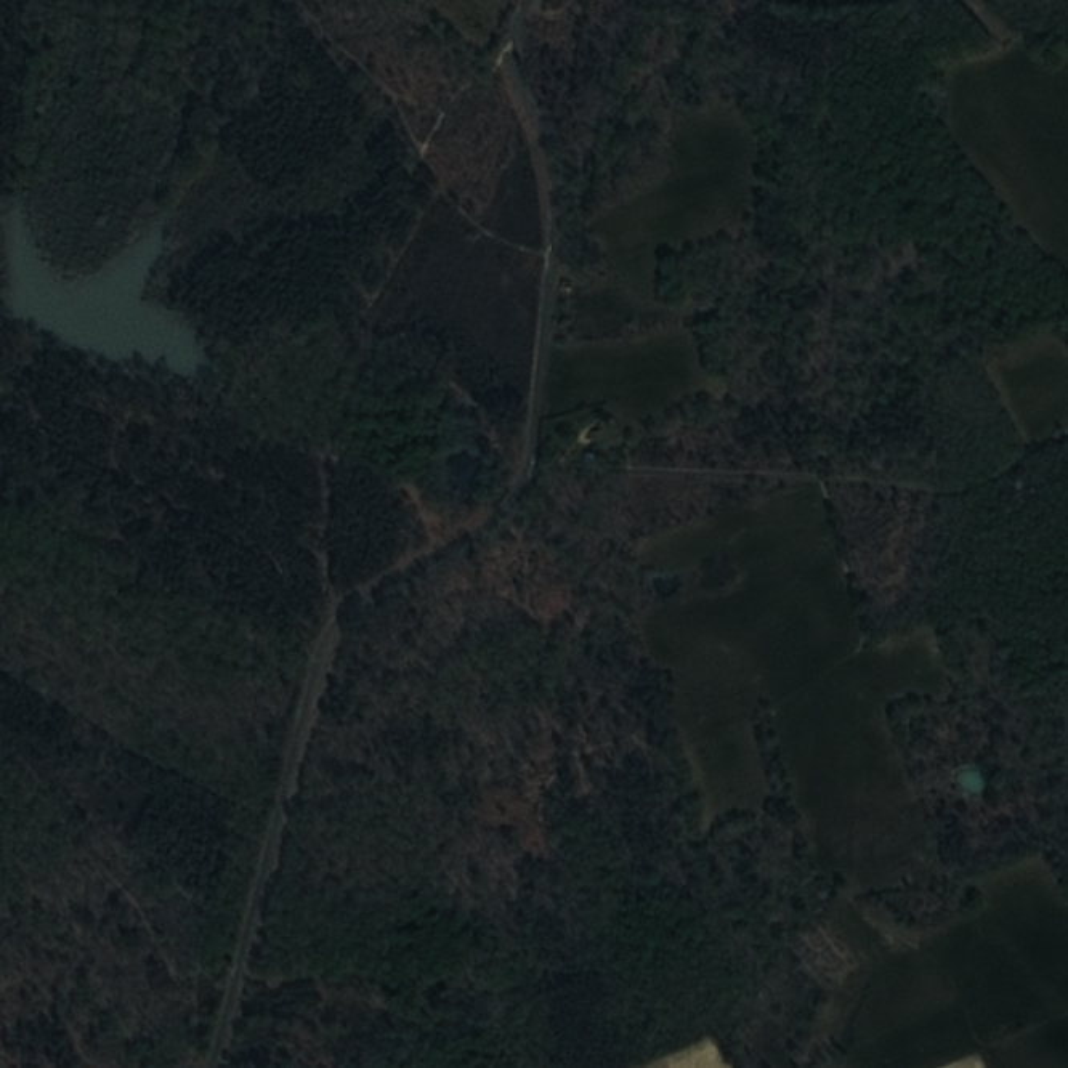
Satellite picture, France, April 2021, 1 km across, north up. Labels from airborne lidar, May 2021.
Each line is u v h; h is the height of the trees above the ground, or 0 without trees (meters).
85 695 15
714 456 6
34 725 16
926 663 0
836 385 16
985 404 18
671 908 23
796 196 18
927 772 16
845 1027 0
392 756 13
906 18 17
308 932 20
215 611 22
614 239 0
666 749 19
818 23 16
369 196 6
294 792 0
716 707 0
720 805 0
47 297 0
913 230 22
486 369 5
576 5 6
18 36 19
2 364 17
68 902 15
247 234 7
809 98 17
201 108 20
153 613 22
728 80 12
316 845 15
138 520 13
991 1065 0
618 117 14
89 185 8
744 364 16
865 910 0
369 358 19
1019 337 24
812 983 14
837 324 10
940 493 12
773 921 17
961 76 0
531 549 10
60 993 15
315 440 15
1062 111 0
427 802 13
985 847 6
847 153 16
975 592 20
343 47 10
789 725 0
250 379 15
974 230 21
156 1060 15
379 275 19
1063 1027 0
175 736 13
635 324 10
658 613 0
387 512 20
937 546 14
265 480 11
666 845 20
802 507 0
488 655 19
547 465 16
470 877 13
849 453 12
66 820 18
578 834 20
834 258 8
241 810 16
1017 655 15
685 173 0
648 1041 16
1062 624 19
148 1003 16
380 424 22
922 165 20
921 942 0
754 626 0
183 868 18
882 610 13
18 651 13
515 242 0
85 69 9
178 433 17
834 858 0
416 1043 19
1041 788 7
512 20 14
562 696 18
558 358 0
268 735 13
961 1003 0
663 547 0
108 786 11
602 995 21
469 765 14
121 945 15
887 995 0
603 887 21
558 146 19
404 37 9
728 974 18
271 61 19
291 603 20
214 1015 14
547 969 9
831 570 0
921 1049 0
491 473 8
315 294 21
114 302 0
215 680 18
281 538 19
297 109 22
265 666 21
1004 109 0
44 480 14
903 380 13
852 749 0
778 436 14
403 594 22
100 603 19
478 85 10
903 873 0
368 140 6
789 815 21
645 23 16
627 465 11
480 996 17
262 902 0
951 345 6
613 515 15
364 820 18
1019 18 15
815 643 0
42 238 8
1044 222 0
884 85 20
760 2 7
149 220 6
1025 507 20
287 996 9
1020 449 19
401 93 11
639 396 0
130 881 11
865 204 23
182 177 22
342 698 13
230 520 19
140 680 12
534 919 14
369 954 21
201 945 18
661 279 12
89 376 21
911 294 18
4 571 20
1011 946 0
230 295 20
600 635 15
